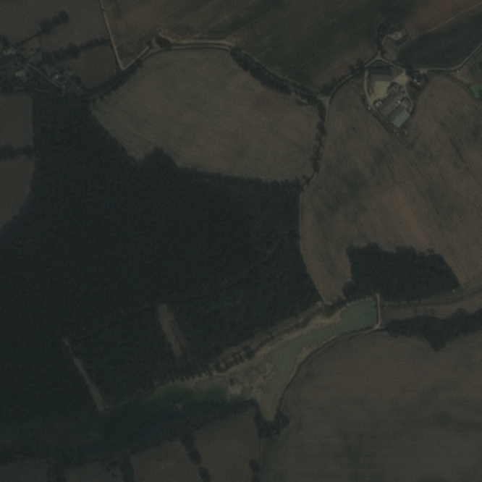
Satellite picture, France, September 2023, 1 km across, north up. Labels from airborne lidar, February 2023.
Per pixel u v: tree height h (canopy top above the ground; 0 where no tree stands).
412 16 0
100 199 21
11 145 0
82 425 0
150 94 0
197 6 0
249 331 9
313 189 0
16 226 19
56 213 22
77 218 23
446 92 0
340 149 0
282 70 0
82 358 13
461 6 0
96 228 21
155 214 22
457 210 0
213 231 23
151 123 0
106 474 0
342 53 0
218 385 0
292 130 0
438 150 0
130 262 24
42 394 27
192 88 0
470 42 0
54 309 24
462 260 0
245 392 0
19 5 0
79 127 20
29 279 22
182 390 0
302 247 0
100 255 24
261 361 0
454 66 0
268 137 0
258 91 0
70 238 23
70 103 16
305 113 0
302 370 0
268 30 0
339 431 0
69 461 19
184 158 0
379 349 0
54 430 0
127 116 0
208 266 22
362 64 14
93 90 8
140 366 21
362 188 0
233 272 23
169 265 22
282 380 0
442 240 0
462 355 0
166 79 0
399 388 0
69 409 20
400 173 0
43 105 16
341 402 0
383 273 22
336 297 0
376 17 0
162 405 0
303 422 0
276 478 0
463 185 0
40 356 29
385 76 0
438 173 0
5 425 20
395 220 0
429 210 0
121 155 17
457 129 0
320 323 0
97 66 0
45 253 20
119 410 0
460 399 0
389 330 12
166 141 0
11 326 18
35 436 0
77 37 0
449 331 23
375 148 0
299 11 0
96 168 22
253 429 0
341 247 0
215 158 0
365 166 0
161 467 0
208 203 20
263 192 16
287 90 19
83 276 26
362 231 0
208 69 0
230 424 0
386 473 0
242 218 21
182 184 18
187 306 8
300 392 0
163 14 0
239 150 0
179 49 0
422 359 0
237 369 0
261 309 7
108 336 15
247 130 0
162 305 0
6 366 27
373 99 0
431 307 0
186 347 0
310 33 0
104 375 15
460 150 0
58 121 17
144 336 13
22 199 0
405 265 24
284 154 0
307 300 10
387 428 0
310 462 0
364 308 0
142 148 0
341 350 0
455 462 0
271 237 18
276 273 12
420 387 0
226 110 0
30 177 0
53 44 0
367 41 0
